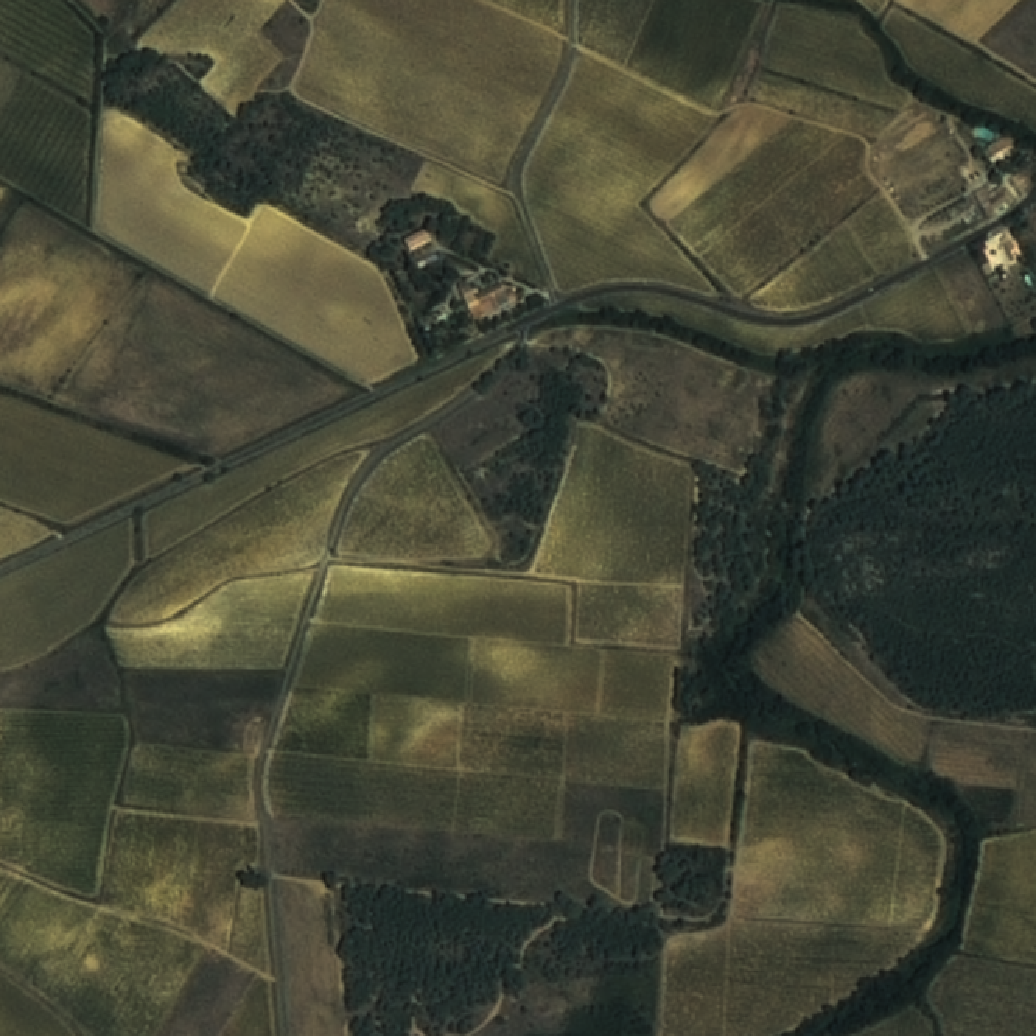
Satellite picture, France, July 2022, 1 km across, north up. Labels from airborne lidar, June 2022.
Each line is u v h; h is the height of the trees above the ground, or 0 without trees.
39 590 0
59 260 0
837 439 0
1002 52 0
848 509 6
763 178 0
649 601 0
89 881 0
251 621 0
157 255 0
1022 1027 0
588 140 0
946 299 0
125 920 0
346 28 0
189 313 0
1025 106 0
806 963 0
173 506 0
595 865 0
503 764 0
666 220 0
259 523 0
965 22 0
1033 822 0
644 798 0
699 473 10
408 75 0
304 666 0
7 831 0
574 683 0
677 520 0
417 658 0
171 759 0
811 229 0
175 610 0
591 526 0
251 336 0
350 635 0
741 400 0
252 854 0
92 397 0
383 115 0
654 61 0
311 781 0
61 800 0
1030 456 8
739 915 0
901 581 7
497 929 14
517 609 0
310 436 0
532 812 0
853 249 0
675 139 0
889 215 0
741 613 11
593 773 0
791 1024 0
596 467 0
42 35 0
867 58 0
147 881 0
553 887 0
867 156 0
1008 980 0
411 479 0
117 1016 0
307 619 0
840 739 11
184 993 0
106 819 0
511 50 0
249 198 8
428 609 0
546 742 0
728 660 13
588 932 16
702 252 0
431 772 0
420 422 0
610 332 0
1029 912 0
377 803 0
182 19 0
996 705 8
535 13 0
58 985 0
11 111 0
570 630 0
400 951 11
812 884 0
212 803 0
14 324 0
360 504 0
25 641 0
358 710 0
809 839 0
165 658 0
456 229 7
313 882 0
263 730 0
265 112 9
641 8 0
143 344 0
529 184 0
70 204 0
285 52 0
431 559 0
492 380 12
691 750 0
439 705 0
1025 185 0
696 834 0
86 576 0
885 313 0
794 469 8
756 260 0
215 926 0
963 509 8
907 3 0
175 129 8
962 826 7
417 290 13
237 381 0
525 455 5
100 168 0
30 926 0
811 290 0
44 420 0
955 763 0
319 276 0
